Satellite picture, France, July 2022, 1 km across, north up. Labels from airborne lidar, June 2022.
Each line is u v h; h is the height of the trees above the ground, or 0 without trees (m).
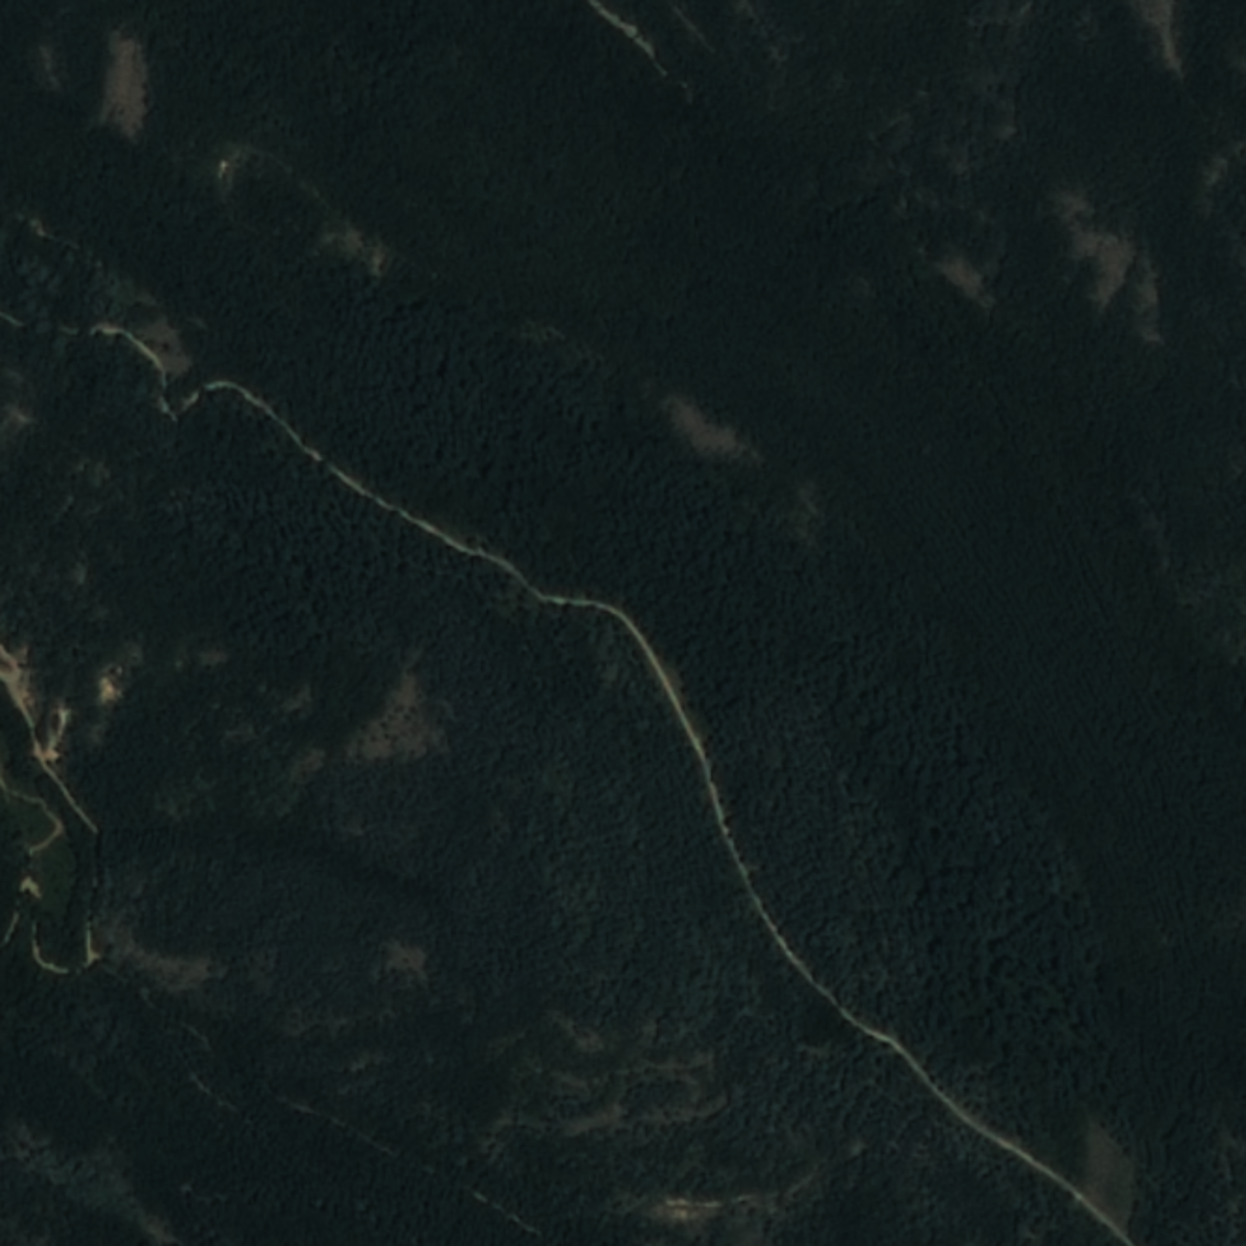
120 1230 13
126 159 13
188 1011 9
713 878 19
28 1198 14
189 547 14
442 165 12
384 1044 11
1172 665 13
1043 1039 19
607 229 13
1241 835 17
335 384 18
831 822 18
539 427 16
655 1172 13
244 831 11
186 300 12
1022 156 7
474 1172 15
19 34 10
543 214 8
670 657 11
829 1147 11
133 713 7
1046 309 14
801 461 9
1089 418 9
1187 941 16
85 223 16
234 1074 16
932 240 9
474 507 14
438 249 8
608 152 15
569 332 10
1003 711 15
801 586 15
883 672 13
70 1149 7
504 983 10
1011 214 9
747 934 14
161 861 8
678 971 14
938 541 14
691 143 15
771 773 15
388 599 17
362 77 17
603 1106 6
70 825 14
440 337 21
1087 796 10
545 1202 14
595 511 11
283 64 14
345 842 8
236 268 11
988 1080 12
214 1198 11
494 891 10
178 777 8
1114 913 12
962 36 9
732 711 19
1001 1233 11
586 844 12
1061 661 21
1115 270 0
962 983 25
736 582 25
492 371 28
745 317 16
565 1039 8
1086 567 17
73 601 6
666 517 21
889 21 7
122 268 14
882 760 27
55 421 9
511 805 9
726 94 12
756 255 12
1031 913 22
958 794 26
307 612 12
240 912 14
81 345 13
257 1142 14
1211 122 6
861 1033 13
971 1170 16
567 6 11
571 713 15
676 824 13
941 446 20
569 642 10
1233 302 8
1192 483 10
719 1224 7
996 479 20
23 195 10
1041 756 15
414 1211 15
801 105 9
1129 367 10
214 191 10
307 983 11
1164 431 7
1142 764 13
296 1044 11
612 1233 11
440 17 14
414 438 19
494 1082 14
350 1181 12
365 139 16
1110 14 9
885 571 14
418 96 10
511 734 12
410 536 11
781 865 13
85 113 9
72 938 12
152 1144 11
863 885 13
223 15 15
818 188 11
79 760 7
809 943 14
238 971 10
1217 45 7
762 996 8
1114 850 12
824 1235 11
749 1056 14
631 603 14
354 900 13
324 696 9
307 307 15
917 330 12
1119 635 15
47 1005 13
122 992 9
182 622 7
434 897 9
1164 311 9
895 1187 12
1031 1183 11
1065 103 9
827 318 12
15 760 12
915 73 12
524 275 13
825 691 16
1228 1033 15
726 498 18
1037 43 7
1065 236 6
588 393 23
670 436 7
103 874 13
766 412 13
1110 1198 0
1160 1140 11
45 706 7
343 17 14
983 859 27
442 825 8
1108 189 5
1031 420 8
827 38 8
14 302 12
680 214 13
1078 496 16
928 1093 17
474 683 13
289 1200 16
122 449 7
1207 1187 15
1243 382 10
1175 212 11
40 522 8
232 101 10
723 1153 9
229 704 8
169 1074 11
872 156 9
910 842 16
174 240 19
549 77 12
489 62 9
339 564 23
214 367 8
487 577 10
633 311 13
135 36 18
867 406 19
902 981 18
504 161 12
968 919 23
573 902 13
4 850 9
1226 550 13
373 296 14
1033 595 18
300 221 7
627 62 12
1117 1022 20
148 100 8
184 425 14
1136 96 12
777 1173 8
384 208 13
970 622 17
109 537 7
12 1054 8
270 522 26
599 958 13
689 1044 11
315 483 15
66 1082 12
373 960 9
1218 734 15
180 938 10
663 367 9
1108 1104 7
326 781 11
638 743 11
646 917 13
